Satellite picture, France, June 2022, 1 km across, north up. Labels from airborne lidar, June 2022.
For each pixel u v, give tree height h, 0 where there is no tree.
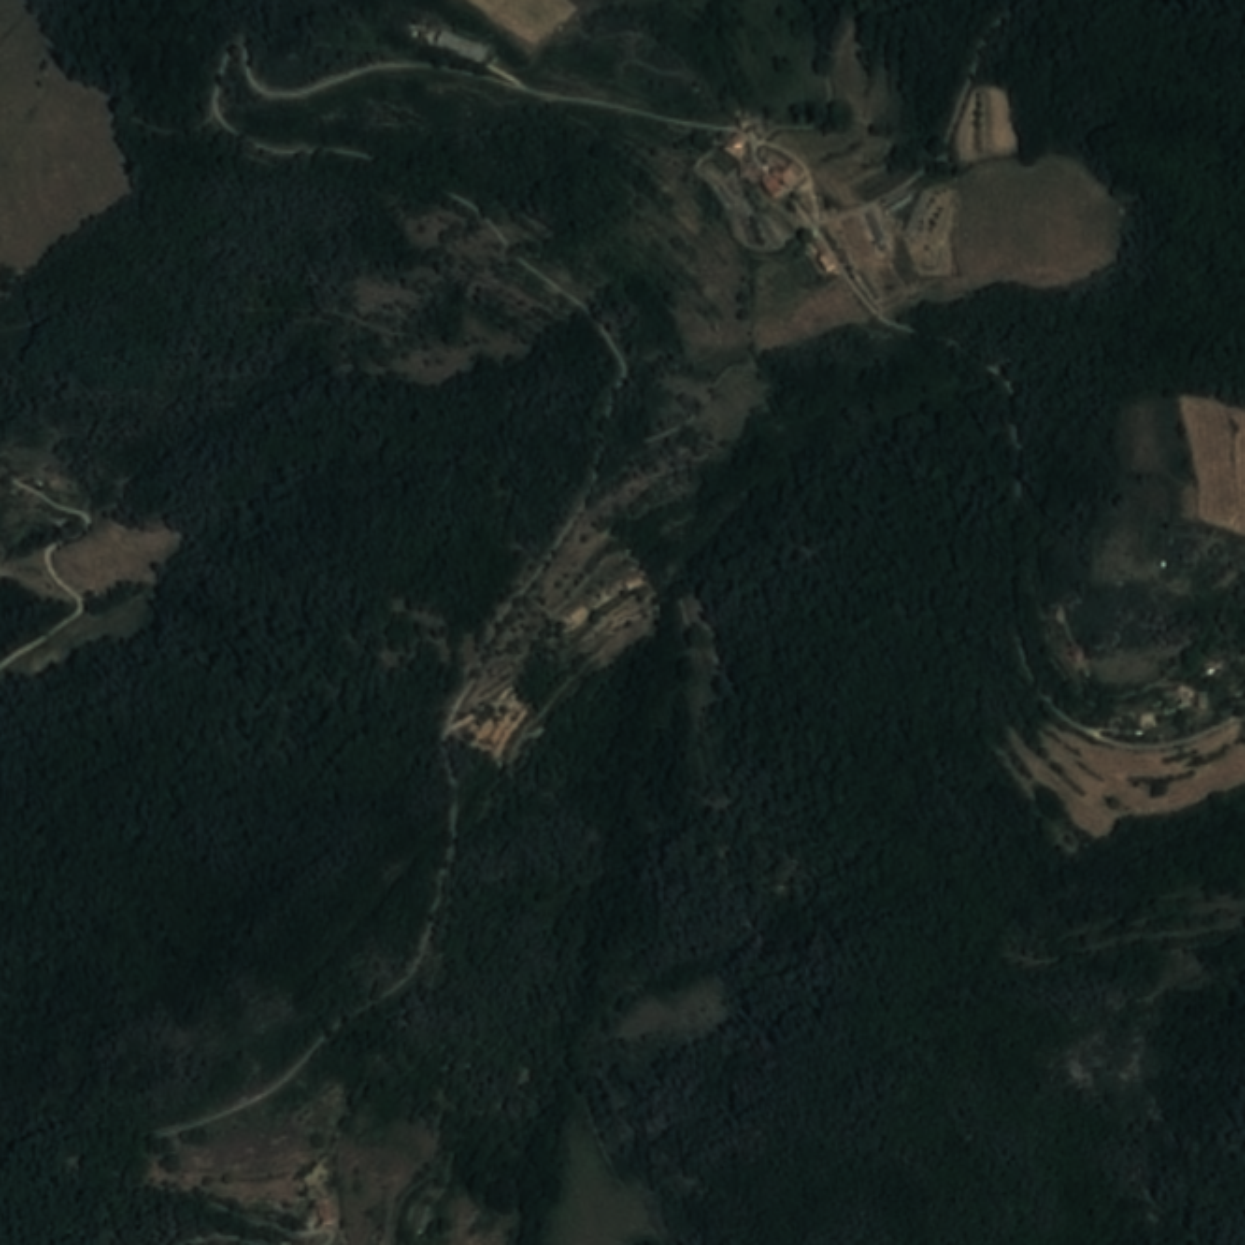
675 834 14
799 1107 18
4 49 0
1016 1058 7
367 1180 0
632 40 0
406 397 8
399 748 14
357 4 7
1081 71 9
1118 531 0
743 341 0
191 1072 10
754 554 19
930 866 14
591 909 14
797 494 10
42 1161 23
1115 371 13
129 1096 12
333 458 11
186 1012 10
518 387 14
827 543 13
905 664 15
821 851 13
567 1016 19
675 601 9
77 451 7
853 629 12
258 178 11
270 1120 0
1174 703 9
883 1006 16
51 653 0
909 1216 13
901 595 10
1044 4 15
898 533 18
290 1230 7
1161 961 6
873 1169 12
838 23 15
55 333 26
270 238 15
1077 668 0
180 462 18
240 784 18
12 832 19
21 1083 9
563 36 0
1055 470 12
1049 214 0
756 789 13
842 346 7
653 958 14
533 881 11
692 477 7
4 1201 20
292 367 18
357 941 7
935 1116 15
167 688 16
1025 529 16
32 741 20
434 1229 10
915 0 6
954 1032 12
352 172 12
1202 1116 17
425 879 11
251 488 8
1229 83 18
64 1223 18
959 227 0
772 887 8
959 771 9
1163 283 12
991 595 15
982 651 11
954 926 16
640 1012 0
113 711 24
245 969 8
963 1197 17
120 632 0
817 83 0
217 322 13
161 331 19
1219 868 10
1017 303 17
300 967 9
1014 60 8
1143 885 19
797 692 12
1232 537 0
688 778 8
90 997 18
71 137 0
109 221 5
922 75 10
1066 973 16
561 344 10
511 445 10
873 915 13
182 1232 17
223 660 21
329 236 14
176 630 9
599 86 0
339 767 19
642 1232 0
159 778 19
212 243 22
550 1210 12
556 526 10
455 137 7
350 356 6
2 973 25
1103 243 0
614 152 6
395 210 8
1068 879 13
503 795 10
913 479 10
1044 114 9
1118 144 15
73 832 20
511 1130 7
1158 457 0
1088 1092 9
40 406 17
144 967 19
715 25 9
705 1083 17
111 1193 15
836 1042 21
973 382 14
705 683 0
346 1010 12
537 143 9
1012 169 0
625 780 12
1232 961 11
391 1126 0
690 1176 10
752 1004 17
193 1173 0
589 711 13
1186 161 13
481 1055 15
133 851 18
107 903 20
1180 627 10
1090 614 0
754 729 12
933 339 9
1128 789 0
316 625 19
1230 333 15
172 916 16
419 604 7
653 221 0
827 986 18
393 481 8
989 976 9
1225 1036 18
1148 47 17
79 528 11
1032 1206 17
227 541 16
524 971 21
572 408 8
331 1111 0
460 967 14
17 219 0
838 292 0
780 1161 14
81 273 12
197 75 9
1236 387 15
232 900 16
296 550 8
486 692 0
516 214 9
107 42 13
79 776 19
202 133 10
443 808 13
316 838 21
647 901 10
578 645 0
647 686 18
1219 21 12
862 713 15
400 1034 15
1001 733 10
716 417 0
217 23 10
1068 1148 13
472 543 10
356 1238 0
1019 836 8
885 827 14
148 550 0
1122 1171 20
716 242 0
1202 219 12
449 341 12
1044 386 17
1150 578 0
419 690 11
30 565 0
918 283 0
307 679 16
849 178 0
